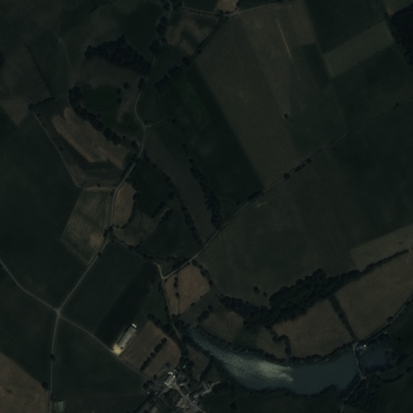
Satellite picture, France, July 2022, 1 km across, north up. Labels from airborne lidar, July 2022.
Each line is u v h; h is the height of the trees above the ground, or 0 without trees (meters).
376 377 13
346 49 0
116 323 0
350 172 0
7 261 0
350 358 0
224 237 0
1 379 0
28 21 0
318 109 0
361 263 0
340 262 0
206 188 14
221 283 0
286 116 11
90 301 0
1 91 0
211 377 0
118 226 8
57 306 0
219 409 0
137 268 0
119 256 0
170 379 0
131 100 0
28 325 0
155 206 0
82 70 0
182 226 0
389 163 0
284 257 0
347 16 0
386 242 0
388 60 0
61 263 0
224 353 0
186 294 0
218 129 0
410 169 0
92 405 0
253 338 0
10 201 0
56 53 0
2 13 0
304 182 0
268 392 13
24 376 0
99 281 0
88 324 0
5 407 0
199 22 0
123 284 0
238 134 0
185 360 8
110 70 0
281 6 0
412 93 0
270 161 0
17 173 0
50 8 0
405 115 0
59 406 0
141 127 0
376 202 0
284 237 0
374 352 0
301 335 0
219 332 0
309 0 0
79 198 0
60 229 0
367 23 0
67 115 0
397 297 0
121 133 0
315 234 0
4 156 0
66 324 0
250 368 0
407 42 15
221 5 0
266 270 0
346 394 24
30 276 0
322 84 0
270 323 6
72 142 0
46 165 0
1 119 0
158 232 0
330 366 0
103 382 0
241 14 0
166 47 0
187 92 0
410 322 0
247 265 0
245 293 0
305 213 0
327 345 0
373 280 0
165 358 0
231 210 0
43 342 0
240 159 0
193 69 0
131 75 0
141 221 0
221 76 0
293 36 0
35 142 0
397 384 0
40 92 0
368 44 0
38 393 0
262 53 0
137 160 14
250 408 0
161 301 0
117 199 0
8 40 0
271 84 0
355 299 0
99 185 9
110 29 0
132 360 0
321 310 0
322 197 0
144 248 0
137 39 0
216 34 0
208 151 0
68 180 0
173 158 0
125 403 0
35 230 0
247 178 0
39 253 0
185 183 0
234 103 0
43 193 0
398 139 0
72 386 0
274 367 0
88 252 0
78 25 0
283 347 0
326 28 0
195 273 0
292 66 0
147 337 0
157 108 0
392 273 0
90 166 0
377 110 0
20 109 0
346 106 0
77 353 0
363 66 0
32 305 0
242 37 0
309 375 0
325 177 0
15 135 0
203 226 0
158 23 0
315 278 10
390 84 0
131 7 0
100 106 0
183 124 0
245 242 0
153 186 0
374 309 0
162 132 0
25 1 0
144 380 0
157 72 0
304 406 0
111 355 0
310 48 0
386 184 0
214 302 0
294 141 0
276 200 0
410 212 0
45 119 0
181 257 0
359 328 0
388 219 0
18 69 0
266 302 0
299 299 0
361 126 0
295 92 0
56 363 0
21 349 0
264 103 0
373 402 15
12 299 0
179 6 14
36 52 0
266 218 0
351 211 0
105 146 0
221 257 0
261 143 0
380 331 6
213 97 0
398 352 14
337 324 0
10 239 0
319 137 0
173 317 7
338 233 0
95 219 0
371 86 0
